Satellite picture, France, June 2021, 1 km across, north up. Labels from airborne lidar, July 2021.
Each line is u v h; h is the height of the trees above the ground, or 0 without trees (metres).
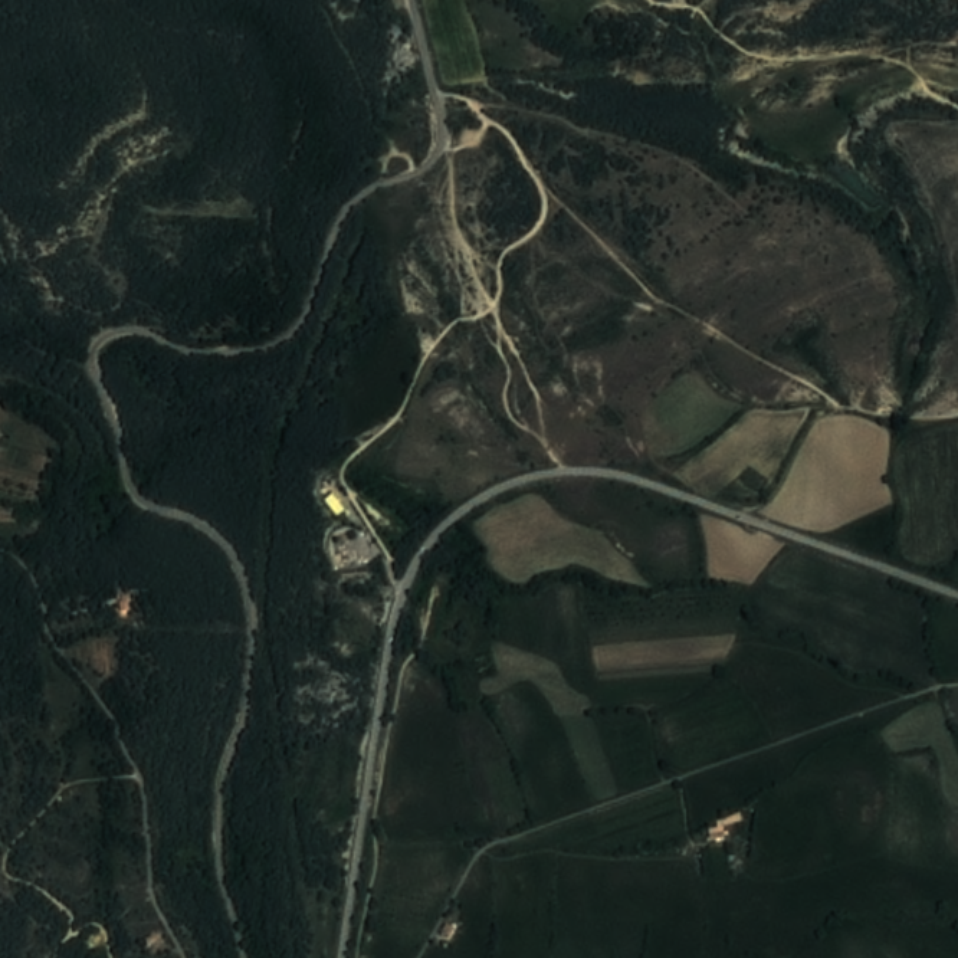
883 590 0
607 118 9
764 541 0
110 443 15
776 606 0
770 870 0
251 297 17
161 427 11
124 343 12
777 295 0
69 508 16
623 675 0
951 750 0
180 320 7
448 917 8
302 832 9
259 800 15
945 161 0
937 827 0
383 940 0
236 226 10
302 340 16
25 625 11
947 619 0
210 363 13
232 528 11
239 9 10
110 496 16
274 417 16
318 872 10
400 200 0
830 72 0
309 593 8
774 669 0
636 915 0
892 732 0
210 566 8
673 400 0
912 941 0
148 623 9
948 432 0
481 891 0
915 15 6
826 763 0
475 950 0
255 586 11
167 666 9
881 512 0
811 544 0
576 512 0
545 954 0
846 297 0
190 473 11
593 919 0
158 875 10
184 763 9
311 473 10
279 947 11
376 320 6
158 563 10
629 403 0
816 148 0
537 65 0
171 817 10
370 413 0
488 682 0
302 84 11
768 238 0
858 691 0
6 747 8
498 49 0
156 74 6
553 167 6
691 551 0
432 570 17
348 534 7
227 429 13
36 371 15
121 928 8
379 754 0
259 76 9
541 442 0
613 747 0
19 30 5
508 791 0
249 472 13
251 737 17
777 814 0
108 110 6
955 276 0
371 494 13
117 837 8
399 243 0
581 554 0
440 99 0
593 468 0
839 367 0
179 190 8
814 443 0
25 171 7
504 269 8
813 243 0
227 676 9
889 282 0
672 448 0
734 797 0
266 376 16
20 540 13
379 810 0
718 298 0
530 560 0
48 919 9
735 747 0
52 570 7
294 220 11
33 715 6
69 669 10
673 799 0
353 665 9
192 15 6
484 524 0
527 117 0
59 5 7
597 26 6
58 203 6
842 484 0
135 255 8
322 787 0
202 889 10
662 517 0
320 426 18
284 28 9
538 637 0
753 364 0
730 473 0
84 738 0
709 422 0
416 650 8
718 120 8
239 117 8
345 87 8
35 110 7
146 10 9
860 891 0
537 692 0
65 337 13
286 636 10
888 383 0
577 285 0
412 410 0
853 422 0
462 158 0
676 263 0
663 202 0
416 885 0
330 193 13
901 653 0
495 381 0
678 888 0
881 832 0
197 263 8
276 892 11
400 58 0
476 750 0
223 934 13
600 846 0
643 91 13
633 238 6
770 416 0
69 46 6
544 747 0
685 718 0
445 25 0
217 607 10
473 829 0
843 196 10
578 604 0
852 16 6
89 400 11
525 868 0
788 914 0
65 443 11
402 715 0
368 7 11
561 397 0
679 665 0
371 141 9
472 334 0
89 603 10
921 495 0
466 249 0
